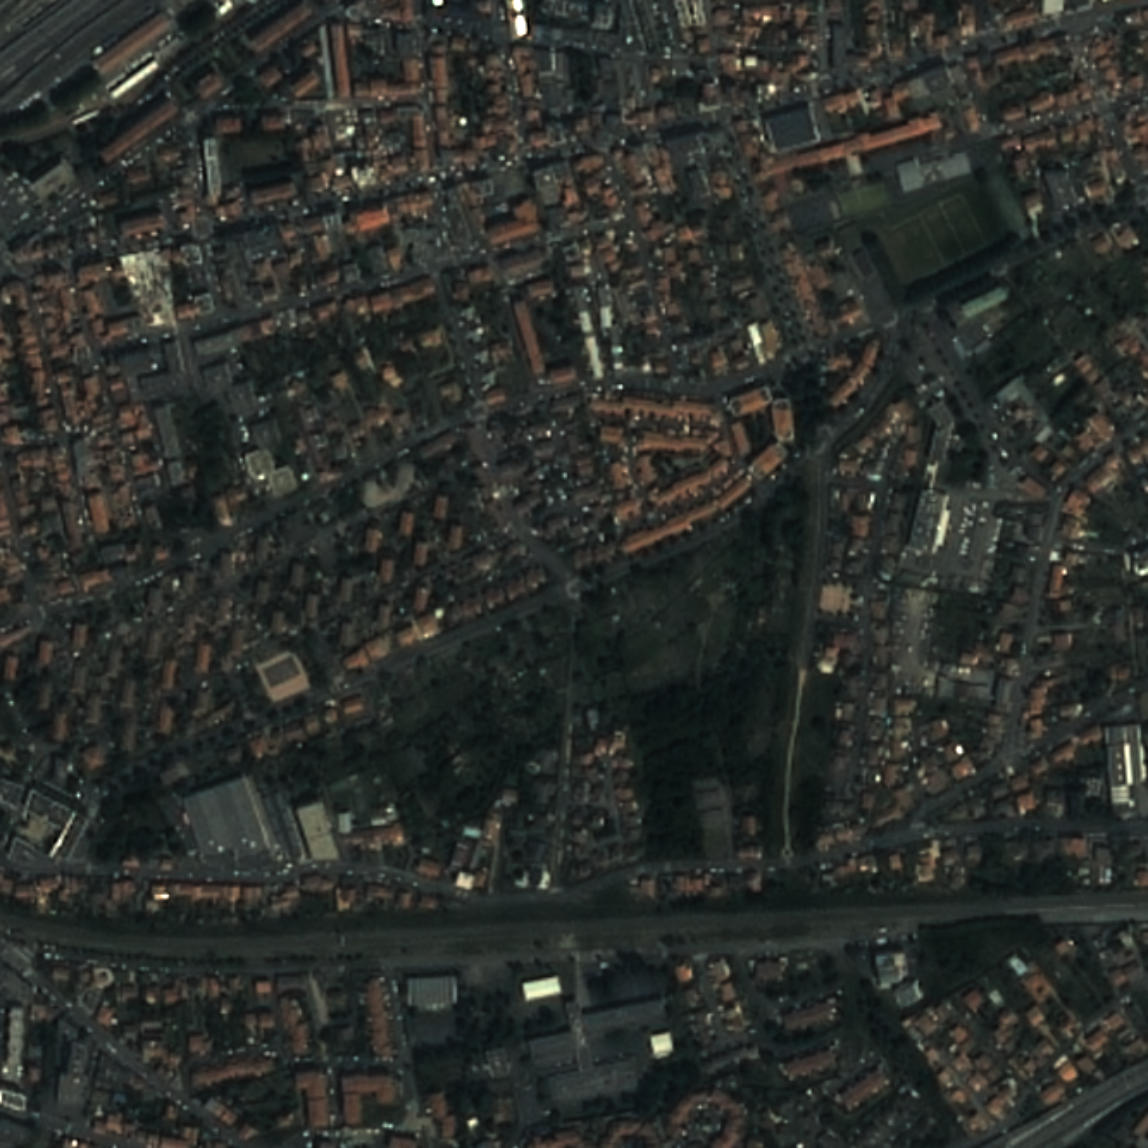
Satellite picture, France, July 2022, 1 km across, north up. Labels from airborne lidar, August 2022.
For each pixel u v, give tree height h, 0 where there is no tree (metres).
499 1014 7
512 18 0
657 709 14
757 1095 6
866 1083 0
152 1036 0
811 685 0
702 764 7
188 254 0
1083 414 6
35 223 0
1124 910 0
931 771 0
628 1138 13
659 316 0
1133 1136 6
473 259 0
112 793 13
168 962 8
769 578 10
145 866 0
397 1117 0
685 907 11
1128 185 7
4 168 7
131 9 0
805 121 0
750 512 12
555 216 0
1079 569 6
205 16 21
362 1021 8
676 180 8
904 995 0
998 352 7
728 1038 0
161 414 0
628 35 0
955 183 0
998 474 0
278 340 7
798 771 0
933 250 0
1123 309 6
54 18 0
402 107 0
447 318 0
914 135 8
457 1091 10
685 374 7
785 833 0
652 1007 0
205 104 0
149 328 0
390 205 0
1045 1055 6
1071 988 0
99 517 0
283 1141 0
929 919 0
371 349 7
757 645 5
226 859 0
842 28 0
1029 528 0
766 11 0
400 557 7
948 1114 6
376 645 0
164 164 0
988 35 0
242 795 0
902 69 6
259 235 0
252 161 0
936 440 0
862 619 0
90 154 12
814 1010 0
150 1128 7
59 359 5
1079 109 0
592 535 6
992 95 0
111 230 0
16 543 0
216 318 0
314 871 0
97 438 0
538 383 0
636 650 0
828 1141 0
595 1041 0
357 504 6
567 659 0
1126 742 0
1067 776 6
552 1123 9
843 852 0
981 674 0
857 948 6
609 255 0
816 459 0
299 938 0
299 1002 6
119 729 11
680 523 0
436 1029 0
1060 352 7
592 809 6
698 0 0
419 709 0
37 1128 12
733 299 7
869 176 7
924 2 8
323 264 8
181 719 7
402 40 0
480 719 8
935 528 0
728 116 0
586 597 9
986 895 10
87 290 0
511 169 0
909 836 0
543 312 10
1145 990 0
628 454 0
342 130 0
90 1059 0
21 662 6
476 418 0
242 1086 10
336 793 0
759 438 9
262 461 0
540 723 0
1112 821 9
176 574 7
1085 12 0
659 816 12
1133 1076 0
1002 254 17
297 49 9
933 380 8
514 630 12
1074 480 0
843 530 6
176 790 10
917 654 0
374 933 0
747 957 0
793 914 0
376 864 0
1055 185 0
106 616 6
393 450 0
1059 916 0
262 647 0
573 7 0
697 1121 6
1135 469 0
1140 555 0
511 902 0
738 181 8
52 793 9
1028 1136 0
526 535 0
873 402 0
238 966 8
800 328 6
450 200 0
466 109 9
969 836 0
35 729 11
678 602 0
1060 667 0
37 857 0
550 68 0
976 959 5
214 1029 10
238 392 0
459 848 0
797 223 0
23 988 0
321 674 6
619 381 0
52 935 0
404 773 0
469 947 0
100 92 0
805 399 8
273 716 14
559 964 0
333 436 6
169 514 10
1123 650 6
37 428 10
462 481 13
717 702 14
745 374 0
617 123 0
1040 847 0
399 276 0
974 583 0
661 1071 14
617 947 0
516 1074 0
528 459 8
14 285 0
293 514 7
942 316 8
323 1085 0
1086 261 0
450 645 0
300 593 7
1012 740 0
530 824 11
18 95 0
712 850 0
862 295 0
